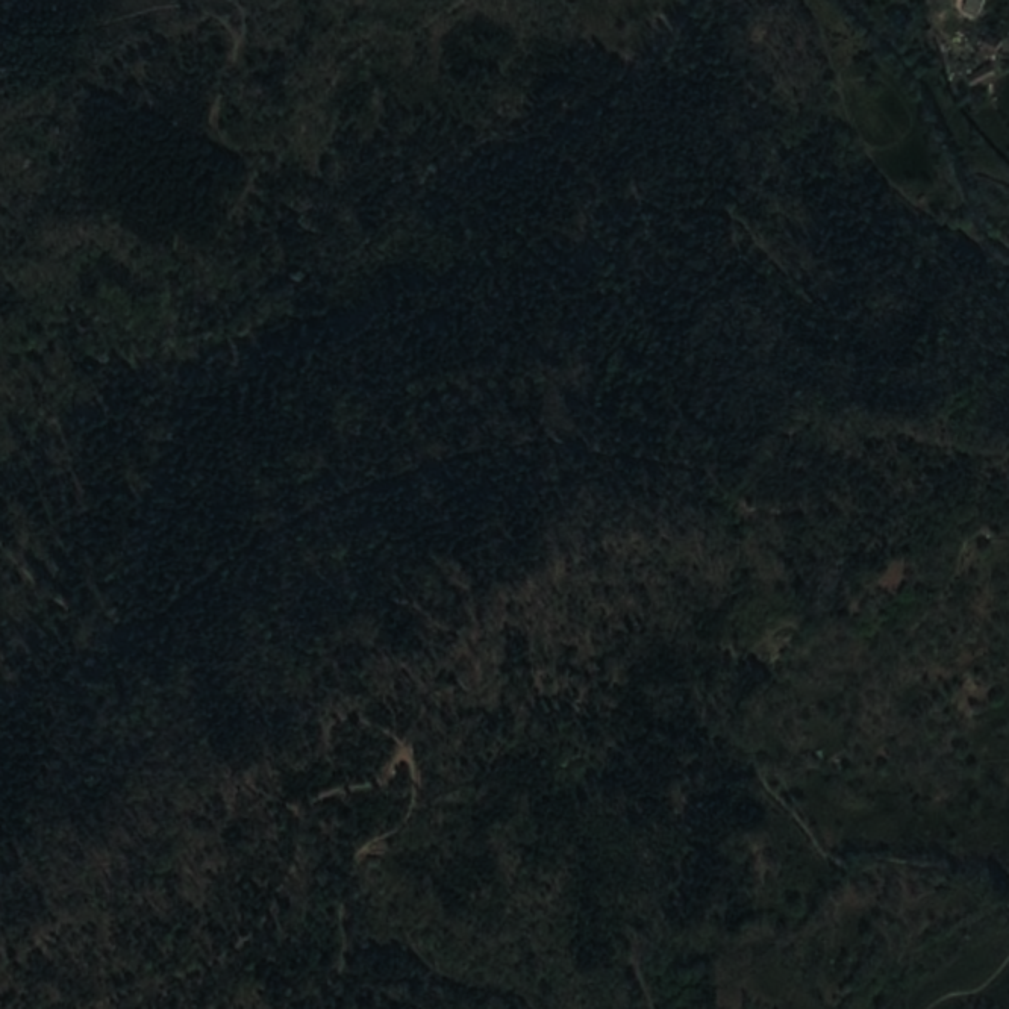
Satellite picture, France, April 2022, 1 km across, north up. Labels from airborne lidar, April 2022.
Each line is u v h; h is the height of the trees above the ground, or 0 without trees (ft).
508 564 76
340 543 80
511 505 95
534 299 90
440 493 81
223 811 71
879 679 48
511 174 100
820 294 43
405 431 92
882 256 115
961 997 0
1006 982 0
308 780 31
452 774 26
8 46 60
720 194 29
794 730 60
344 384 97
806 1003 0
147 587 83
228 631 81
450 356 88
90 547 124
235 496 105
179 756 88
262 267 33
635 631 103
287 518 81
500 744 19
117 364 86
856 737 72
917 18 54
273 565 82
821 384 74
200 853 59
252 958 32
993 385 60
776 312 31
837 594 57
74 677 21
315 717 64
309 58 71
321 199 86
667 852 28
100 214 87
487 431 83
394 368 100
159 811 75
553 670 58
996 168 0
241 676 78
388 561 75
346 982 67
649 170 57
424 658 60
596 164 74
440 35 22
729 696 86
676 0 0
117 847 65
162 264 63
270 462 85
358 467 82
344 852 26
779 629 0
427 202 47
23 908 62
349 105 19
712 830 108
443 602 26
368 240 28
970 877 57
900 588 27
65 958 62
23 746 120
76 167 91
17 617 35
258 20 28
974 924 53
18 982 69
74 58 65
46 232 69
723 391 60
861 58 18
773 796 22
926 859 57
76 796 112
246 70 20
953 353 56
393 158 91
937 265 45
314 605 78
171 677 95
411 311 85
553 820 47
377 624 83
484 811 38
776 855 50
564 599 56
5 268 58
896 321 42
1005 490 71
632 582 72
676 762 73
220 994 91
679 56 66
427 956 19
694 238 74
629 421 26
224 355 81
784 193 70
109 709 109
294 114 28
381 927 21
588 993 48
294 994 110
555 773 49
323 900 88
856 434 56
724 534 77
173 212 118
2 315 76
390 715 38
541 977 48
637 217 83
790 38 83
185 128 98
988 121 0
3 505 18
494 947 47
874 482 81
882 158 0
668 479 76
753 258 43
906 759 60
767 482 58
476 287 84
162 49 78
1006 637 37
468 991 37
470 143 104
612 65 91
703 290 78
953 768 75
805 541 82
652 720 40
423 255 52
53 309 69
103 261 51
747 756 65
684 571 65
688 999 45
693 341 87
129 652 119
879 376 62
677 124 67
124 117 126
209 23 20
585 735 78
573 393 47
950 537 25
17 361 50
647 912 32
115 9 75
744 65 68
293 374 92
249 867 24
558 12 33
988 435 56
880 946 53
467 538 60
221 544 95
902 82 24
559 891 44
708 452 70
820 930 22
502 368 82
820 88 75
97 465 110
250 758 65
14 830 131
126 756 91
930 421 33
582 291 112
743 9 42
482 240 79
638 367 122
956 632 57
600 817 48
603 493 68
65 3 84
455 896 64
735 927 74
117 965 91
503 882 40
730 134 48
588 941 25
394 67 32
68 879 54
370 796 22
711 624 40
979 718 41
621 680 49
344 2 59
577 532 71
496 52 58
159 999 83
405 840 31
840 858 39
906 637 51
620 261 98
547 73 25
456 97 77
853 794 64
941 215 61
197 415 111
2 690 34
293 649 67
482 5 30
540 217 87
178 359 51
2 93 30
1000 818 0
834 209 115
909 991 84
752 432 40
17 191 26
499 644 56
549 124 101
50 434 45
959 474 64
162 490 108
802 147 76
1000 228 75
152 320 67
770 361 42
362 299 20
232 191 85
